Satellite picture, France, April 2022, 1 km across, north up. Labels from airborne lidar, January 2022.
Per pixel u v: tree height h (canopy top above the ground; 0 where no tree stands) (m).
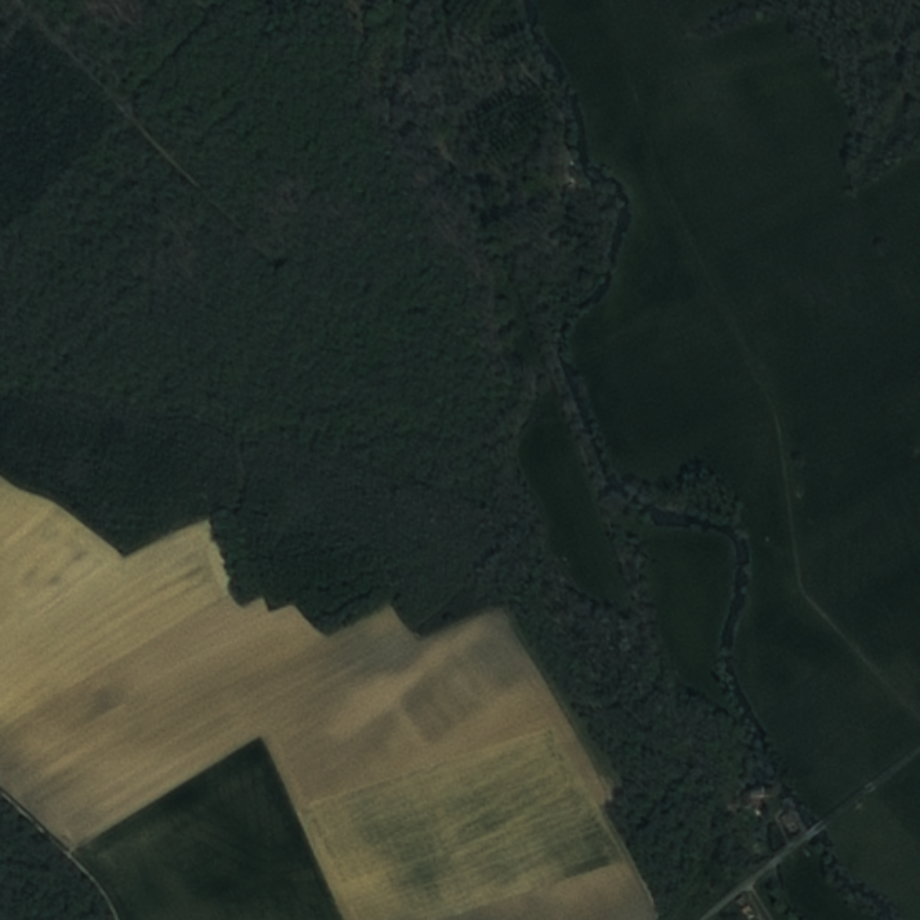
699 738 23
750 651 0
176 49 20
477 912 0
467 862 0
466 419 22
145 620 0
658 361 0
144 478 13
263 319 23
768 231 0
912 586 0
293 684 0
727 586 0
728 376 0
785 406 0
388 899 0
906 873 0
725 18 14
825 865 7
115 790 0
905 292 0
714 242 0
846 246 0
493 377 23
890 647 0
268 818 0
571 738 0
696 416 0
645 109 0
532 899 0
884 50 0
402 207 25
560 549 0
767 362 0
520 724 0
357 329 22
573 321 13
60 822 0
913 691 0
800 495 0
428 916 0
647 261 0
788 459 0
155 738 0
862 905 10
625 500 18
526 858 0
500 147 0
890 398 0
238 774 0
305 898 0
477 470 22
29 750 0
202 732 0
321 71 22
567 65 0
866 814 0
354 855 0
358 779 0
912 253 0
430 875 0
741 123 0
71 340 21
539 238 26
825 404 0
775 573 0
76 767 0
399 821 0
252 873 0
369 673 0
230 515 15
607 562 0
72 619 0
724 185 0
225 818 0
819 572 0
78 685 0
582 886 0
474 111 25
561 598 22
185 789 0
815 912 0
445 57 24
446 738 0
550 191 0
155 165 22
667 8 0
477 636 0
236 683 0
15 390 22
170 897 0
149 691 0
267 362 22
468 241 29
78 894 26
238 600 16
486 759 0
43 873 26
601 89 0
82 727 0
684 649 0
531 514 19
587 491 0
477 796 0
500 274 31
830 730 0
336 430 20
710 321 0
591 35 0
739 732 23
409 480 16
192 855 0
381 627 0
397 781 0
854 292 0
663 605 0
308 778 0
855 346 0
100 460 10
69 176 21
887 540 0
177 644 0
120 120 20
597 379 0
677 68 0
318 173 22
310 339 24
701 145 0
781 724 0
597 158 0
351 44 20
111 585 0
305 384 22
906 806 0
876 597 0
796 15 23
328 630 21
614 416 0
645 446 0
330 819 0
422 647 0
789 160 0
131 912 0
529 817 0
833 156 0
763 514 0
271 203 24
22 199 13
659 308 0
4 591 0
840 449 0
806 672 0
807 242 0
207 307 22
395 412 23
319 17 21
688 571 0
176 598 0
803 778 0
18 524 0
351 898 0
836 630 0
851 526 0
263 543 14
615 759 13
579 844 0
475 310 22
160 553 0
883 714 0
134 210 24
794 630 0
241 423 18
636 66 0
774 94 0
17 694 0
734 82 0
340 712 0
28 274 20
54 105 11
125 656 0
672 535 0
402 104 23
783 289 0
